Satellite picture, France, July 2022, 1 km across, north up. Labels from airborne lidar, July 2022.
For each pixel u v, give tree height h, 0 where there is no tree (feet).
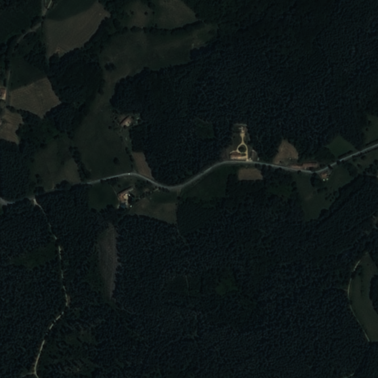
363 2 113
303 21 69
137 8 0
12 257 80
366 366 101
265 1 72
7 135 0
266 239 61
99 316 83
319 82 79
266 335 99
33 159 29
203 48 0
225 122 81
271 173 73
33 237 88
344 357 86
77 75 83
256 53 90
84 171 58
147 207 0
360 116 75
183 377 53
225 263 93
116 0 53
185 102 47
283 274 93
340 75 98
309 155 56
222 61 57
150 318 68
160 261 67
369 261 0
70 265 28
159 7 0
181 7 0
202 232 39
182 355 112
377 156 0
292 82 73
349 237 73
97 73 93
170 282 26
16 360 71
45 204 57
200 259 93
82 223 67
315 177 49
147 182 30
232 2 27
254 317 37
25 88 0
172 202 0
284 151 0
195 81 38
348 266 63
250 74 91
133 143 38
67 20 0
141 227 90
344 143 0
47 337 52
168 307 89
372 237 65
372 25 92
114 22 58
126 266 78
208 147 94
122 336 81
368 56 88
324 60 59
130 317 22
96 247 22
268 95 94
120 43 0
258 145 44
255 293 52
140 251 74
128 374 82
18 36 24
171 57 0
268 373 63
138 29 32
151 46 0
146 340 72
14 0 84
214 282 56
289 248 82
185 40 0
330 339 95
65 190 63
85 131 0
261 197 50
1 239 75
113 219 59
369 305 0
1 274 84
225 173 0
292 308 88
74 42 0
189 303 68
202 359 52
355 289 0
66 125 97
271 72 66
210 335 94
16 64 0
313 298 107
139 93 75
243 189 37
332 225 89
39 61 54
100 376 83
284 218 47
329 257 77
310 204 0
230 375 85
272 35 55
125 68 0
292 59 49
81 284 64
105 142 0
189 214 34
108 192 0
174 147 65
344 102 107
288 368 83
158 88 62
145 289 72
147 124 37
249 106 79
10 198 105
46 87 0
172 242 31
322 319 90
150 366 78
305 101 89
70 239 57
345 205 82
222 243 46
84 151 0
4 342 94
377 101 59
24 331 82
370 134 0
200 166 79
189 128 88
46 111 0
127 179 0
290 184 33
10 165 100
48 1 0
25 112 55
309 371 84
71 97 100
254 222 78
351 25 110
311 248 73
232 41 74
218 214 26
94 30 0
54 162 0
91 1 0
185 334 70
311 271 109
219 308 27
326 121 86
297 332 82
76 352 24
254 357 77
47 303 58
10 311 78
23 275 78
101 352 67
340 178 0
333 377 70
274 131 83
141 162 0
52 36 0
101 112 0
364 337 66
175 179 32
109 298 0
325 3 77
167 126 70
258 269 53
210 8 58
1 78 42
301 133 62
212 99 82
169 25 0
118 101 86
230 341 94
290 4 56
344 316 102
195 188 0
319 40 88
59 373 84
